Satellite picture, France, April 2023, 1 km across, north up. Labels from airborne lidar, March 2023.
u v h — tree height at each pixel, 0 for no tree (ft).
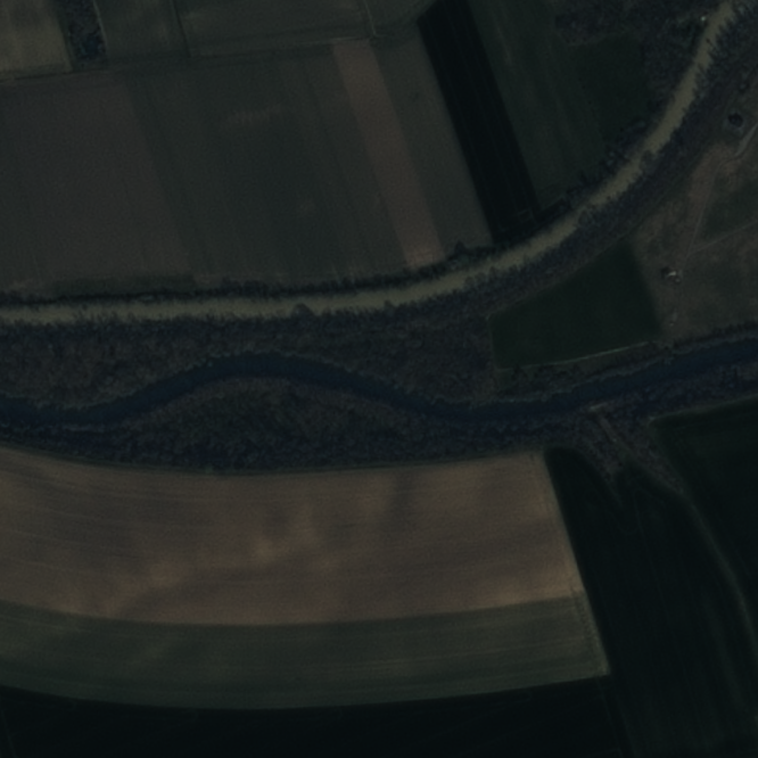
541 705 0
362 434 93
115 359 69
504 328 0
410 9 0
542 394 26
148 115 0
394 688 0
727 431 0
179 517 0
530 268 50
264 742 0
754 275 0
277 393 104
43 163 0
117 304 40
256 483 0
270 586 0
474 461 0
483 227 0
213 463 70
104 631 0
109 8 0
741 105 0
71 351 71
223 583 0
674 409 22
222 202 0
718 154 0
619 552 0
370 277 0
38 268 0
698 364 0
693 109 25
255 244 0
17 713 0
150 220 0
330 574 0
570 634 0
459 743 0
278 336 54
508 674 0
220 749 0
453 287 0
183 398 80
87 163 0
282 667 0
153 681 0
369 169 0
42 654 0
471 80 0
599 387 0
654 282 0
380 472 0
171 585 0
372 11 0
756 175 0
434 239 0
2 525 0
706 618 0
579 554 0
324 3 0
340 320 29
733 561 0
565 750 0
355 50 0
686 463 0
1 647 0
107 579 0
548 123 0
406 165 0
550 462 0
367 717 0
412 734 0
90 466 0
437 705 0
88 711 0
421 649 0
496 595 0
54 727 0
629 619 0
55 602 0
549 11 0
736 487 0
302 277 0
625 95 0
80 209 0
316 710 0
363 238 0
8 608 0
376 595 0
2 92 0
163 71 0
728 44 65
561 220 52
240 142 0
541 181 0
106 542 0
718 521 0
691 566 0
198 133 0
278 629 0
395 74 0
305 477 0
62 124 0
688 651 0
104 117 0
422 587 0
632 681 0
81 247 0
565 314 0
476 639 0
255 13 0
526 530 0
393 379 52
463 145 0
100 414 0
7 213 0
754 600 0
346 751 0
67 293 0
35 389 74
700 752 0
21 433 38
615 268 0
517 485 0
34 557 0
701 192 0
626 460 0
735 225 0
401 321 53
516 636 0
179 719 0
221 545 0
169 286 0
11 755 0
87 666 0
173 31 0
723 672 0
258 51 0
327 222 0
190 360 82
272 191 0
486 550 0
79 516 0
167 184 0
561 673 0
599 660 0
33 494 0
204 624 0
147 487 0
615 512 0
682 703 0
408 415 104
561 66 0
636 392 39
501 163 0
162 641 0
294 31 0
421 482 0
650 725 0
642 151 45
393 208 0
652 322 0
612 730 0
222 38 0
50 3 0
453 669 0
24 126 0
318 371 0
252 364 0
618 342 0
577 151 0
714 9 61
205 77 0
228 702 0
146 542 0
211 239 0
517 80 0
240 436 88
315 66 0
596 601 0
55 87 0
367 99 0
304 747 0
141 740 0
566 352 0
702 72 0
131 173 0
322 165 0
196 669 0
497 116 0
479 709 0
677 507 0
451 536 0
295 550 0
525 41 0
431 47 0
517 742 0
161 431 104
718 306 0
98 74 0
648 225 0
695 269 0
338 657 0
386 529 0
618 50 0
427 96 0
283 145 0
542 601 0
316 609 0
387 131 0
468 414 0
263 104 0
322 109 0
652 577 0
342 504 0
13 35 0
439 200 0
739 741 0
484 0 0
